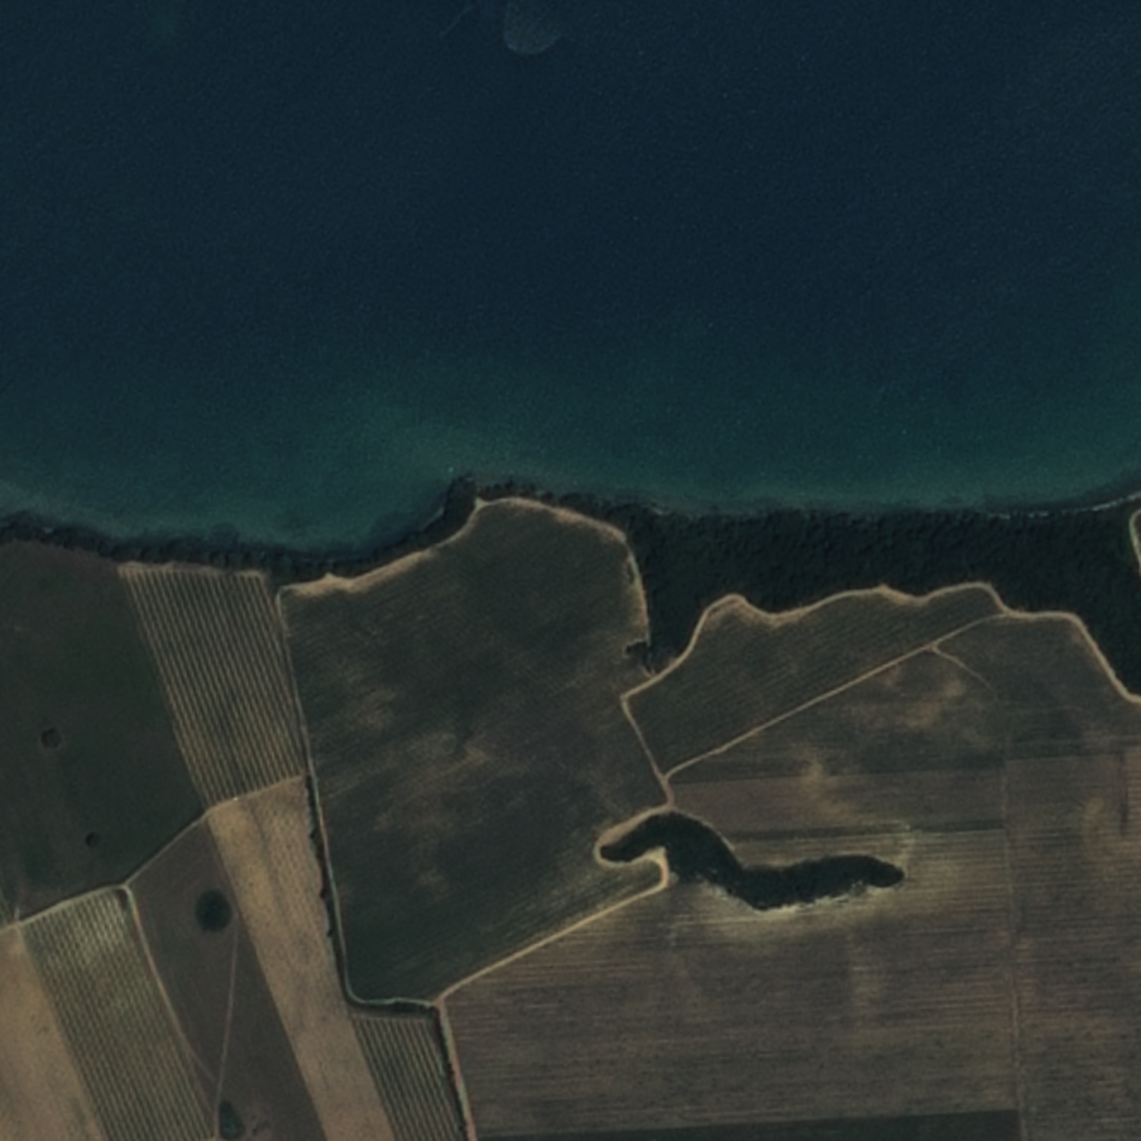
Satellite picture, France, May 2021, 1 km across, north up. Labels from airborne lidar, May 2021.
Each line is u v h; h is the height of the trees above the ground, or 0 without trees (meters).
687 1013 0
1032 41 0
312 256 0
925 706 0
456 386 0
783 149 0
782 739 0
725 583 7
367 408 0
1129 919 0
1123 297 0
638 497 0
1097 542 8
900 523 11
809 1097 0
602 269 0
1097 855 0
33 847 0
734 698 0
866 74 0
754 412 0
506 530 0
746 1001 0
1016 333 0
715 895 0
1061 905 0
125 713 0
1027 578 10
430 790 0
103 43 0
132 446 0
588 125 0
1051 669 0
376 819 0
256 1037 0
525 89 0
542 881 0
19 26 0
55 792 0
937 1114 0
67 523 0
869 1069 0
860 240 0
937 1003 0
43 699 0
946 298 0
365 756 0
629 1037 0
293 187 0
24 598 0
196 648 0
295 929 0
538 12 0
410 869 0
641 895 0
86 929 0
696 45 0
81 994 0
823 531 10
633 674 0
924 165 0
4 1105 0
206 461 0
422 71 0
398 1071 0
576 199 0
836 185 0
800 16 0
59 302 0
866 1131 0
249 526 0
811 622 0
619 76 0
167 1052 0
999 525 11
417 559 0
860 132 0
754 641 0
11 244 0
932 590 5
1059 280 0
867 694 0
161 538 0
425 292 0
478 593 0
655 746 0
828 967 0
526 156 0
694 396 0
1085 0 0
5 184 0
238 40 0
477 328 0
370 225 0
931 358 0
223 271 0
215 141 0
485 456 0
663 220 0
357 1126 0
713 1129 0
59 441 0
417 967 0
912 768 0
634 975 0
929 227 0
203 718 0
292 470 0
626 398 0
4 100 0
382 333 0
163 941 0
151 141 0
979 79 0
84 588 0
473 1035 0
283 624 0
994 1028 0
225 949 0
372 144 0
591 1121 0
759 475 0
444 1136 0
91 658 0
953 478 0
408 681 0
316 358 0
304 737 0
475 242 0
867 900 0
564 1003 0
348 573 6
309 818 0
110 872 0
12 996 0
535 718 0
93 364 0
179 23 0
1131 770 0
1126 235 0
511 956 0
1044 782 0
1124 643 7
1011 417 0
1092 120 0
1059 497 0
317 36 0
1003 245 0
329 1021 0
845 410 0
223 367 0
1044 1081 0
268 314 0
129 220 0
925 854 0
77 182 0
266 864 0
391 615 0
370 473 0
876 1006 0
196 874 0
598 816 0
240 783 0
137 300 0
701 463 0
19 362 0
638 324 0
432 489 0
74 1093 0
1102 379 0
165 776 0
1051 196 0
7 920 0
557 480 0
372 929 0
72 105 0
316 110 0
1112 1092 0
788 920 0
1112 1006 0
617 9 0
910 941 0
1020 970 0
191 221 0
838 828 0
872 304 0
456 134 0
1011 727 0
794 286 0
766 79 0
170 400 0
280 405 0
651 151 0
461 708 0
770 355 0
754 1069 0
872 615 0
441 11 0
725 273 0
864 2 0
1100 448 0
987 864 0
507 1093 0
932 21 0
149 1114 0
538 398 0
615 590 0
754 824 0
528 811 0
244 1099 0
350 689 0
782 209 0
